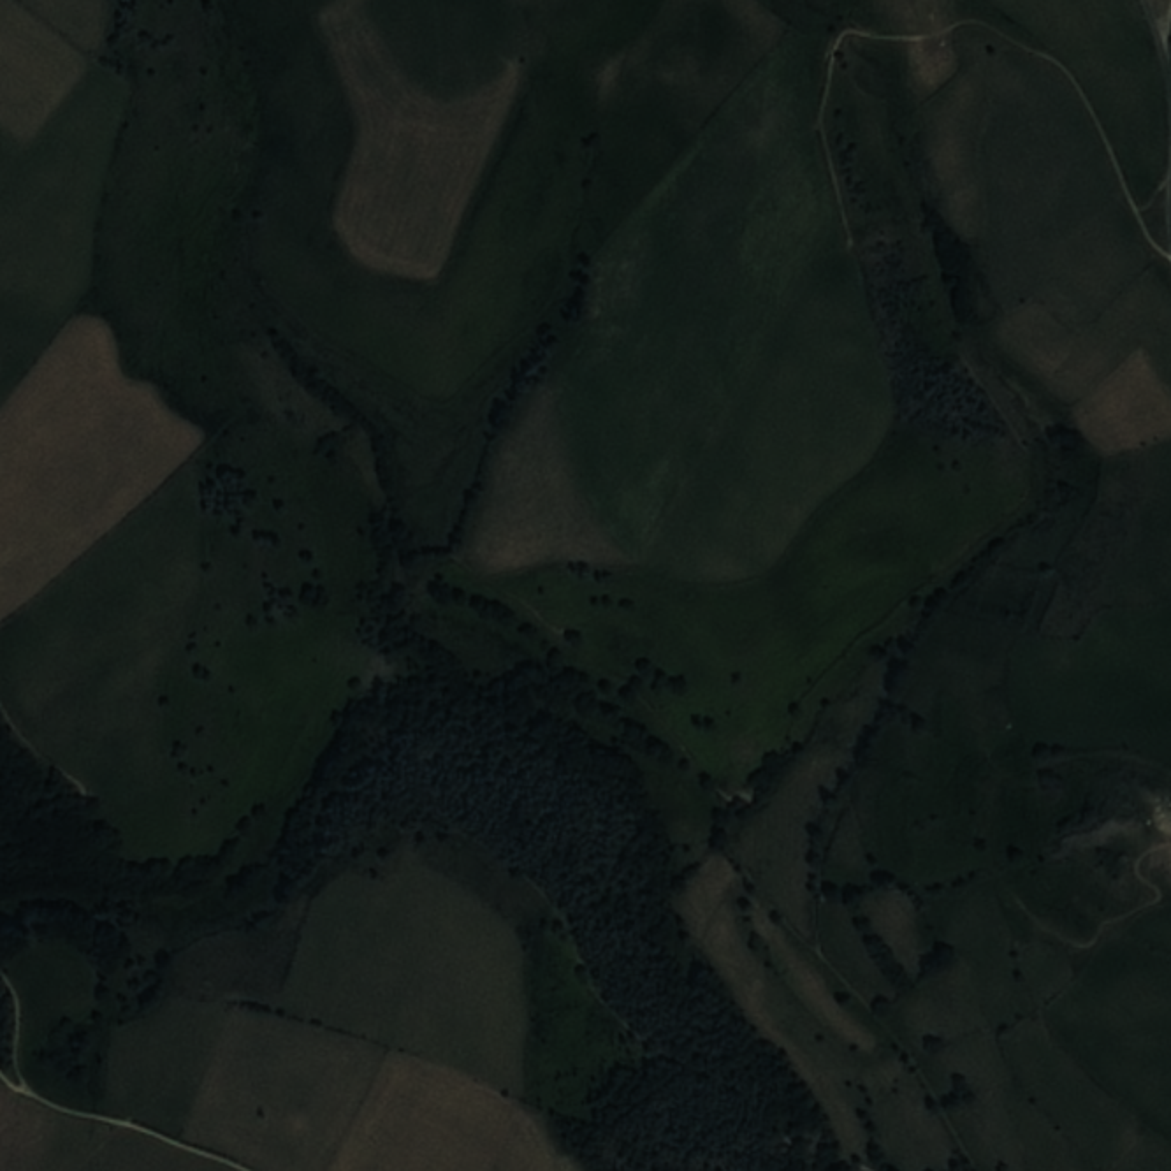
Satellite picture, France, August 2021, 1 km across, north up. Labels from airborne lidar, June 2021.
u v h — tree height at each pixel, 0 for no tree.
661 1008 16
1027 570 0
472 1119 0
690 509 0
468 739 16
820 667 0
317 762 0
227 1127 0
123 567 0
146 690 0
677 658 0
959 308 14
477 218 0
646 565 0
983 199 0
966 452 0
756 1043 11
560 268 0
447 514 0
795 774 0
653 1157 12
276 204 0
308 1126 0
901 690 13
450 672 14
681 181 0
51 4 0
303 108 0
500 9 0
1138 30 0
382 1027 0
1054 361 0
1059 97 0
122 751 0
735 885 0
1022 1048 0
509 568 0
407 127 0
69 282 0
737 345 0
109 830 16
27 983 0
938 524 0
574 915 10
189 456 0
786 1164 12
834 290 0
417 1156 0
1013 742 0
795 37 0
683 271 0
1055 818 0
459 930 0
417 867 0
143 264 0
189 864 13
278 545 15
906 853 0
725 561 0
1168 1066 0
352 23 0
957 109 0
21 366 0
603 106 0
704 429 0
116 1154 0
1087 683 0
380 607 9
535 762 18
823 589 0
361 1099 0
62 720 0
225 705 0
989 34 0
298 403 0
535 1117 0
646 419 0
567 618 0
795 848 0
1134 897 0
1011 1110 0
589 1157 7
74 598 0
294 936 0
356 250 0
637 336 0
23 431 0
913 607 13
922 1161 0
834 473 0
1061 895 0
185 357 0
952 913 0
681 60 0
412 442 0
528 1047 0
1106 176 0
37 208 0
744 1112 14
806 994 0
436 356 0
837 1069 0
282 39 0
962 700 0
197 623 0
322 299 0
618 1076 15
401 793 12
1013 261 0
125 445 0
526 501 0
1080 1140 0
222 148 0
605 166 0
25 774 21
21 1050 0
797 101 0
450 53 0
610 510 0
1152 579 0
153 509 0
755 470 0
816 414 0
